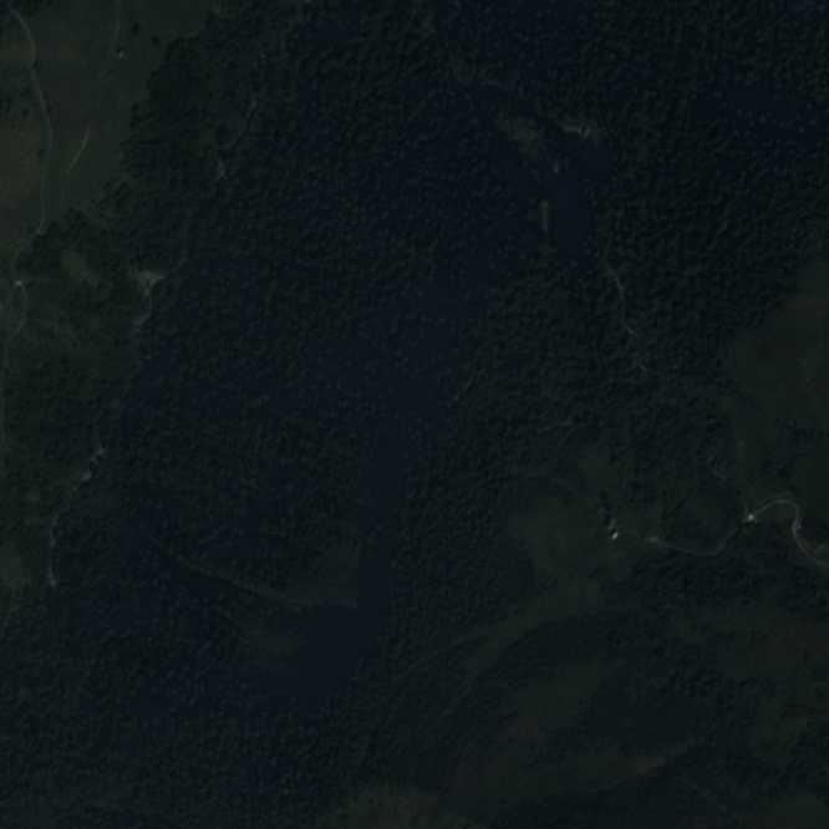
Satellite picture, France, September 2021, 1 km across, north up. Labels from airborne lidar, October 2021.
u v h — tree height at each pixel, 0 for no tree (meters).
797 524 0
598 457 0
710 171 7
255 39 14
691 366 7
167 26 0
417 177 12
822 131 8
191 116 9
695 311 11
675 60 14
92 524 10
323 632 0
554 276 12
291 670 0
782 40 8
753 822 0
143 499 8
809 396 0
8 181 0
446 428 8
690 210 17
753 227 9
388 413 6
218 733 6
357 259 7
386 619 9
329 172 7
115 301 14
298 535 12
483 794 0
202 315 10
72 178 0
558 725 0
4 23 8
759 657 0
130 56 0
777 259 6
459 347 9
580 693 0
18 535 10
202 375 15
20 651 5
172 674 8
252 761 7
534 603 0
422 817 0
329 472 8
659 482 0
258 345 14
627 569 0
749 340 0
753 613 0
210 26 19
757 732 0
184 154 12
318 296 10
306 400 7
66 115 0
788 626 0
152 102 8
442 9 18
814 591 7
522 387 8
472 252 9
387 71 10
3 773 8
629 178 7
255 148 8
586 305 13
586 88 10
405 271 8
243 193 15
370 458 7
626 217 7
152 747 9
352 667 10
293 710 8
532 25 13
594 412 7
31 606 6
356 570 0
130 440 16
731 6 12
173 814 10
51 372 12
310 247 15
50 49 0
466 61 28
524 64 11
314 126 9
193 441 6
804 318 0
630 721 0
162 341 9
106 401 6
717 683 6
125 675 10
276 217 16
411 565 8
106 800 6
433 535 8
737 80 10
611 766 0
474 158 9
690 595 7
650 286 10
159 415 17
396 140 11
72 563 18
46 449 6
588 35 14
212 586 6
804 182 7
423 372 11
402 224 9
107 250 11
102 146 0
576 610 0
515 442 9
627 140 10
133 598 6
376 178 10
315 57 15
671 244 11
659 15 15
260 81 13
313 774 12
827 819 0
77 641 9
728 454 0
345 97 8
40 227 0
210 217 19
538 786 0
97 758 14
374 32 7
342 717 6
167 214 17
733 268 11
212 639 9
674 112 16
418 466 6
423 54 13
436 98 8
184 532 18
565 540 0
